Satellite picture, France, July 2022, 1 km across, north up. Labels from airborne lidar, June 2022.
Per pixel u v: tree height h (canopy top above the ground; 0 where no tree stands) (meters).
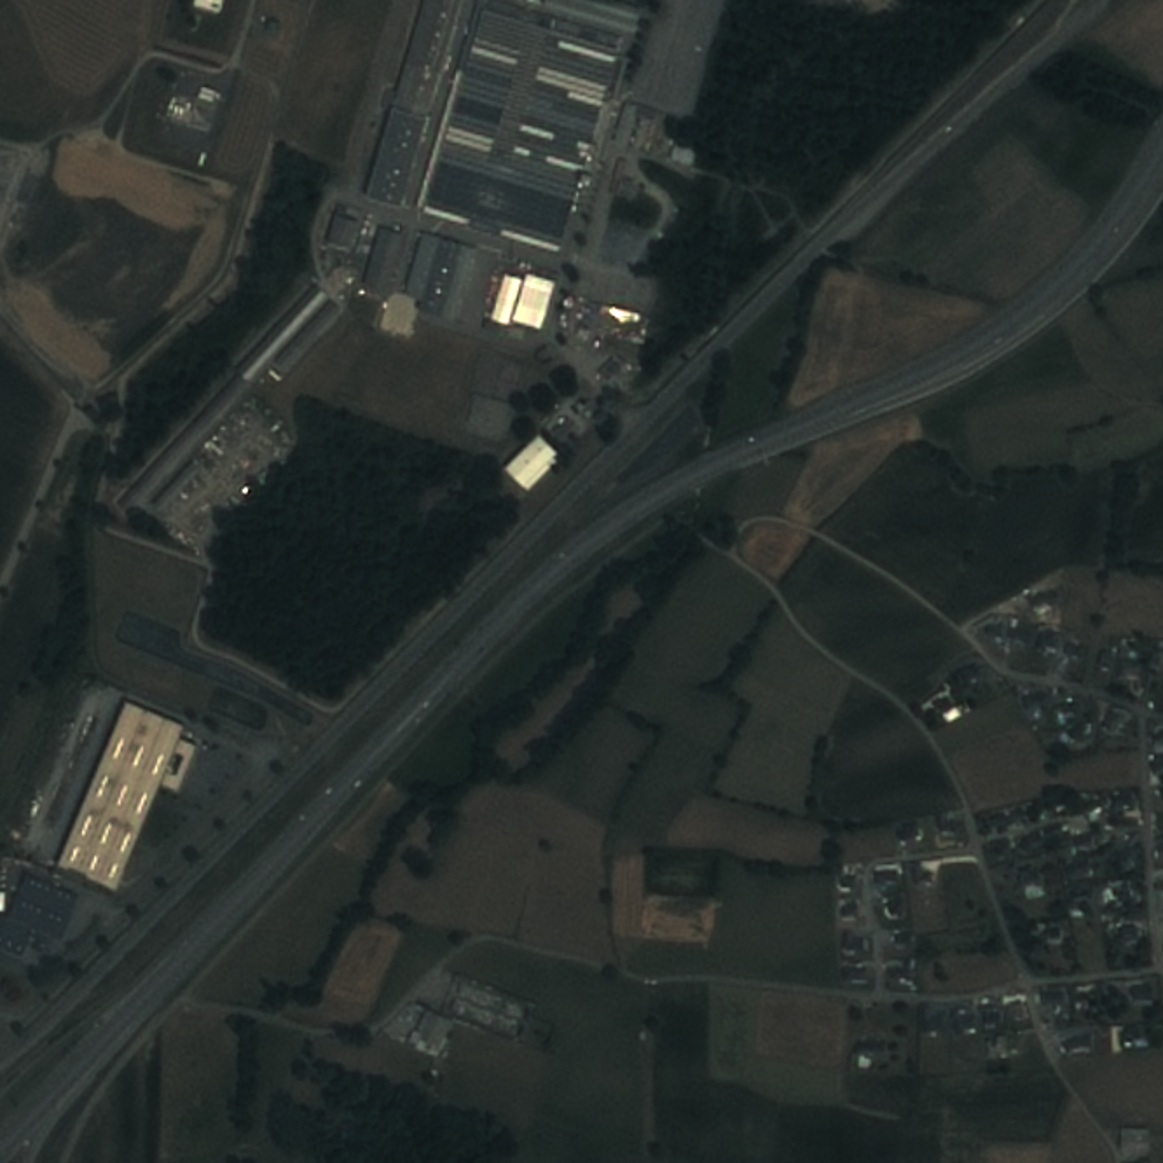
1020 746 0
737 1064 0
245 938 0
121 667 0
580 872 0
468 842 0
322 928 0
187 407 18
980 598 0
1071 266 0
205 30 0
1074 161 0
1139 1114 0
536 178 0
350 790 0
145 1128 0
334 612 21
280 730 0
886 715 0
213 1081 0
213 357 13
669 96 0
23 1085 0
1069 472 15
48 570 0
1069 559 0
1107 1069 0
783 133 24
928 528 0
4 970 0
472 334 0
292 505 19
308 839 0
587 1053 0
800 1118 0
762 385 0
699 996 0
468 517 11
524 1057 0
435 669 0
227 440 0
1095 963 0
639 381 0
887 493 0
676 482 0
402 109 0
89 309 0
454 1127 24
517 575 0
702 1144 0
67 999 0
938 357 0
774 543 0
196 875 0
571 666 9
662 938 0
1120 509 14
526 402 13
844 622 0
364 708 0
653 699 0
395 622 22
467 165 0
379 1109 17
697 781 0
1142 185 0
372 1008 0
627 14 0
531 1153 0
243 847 0
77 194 0
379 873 10
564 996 0
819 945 0
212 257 0
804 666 0
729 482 0
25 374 0
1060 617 0
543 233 0
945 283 0
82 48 0
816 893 0
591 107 0
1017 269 0
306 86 0
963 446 0
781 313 0
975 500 0
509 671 0
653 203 0
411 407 0
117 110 0
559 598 0
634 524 0
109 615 0
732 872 0
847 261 9
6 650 0
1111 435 0
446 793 14
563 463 17
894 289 0
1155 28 0
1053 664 0
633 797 0
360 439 6
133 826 0
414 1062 0
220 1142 0
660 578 19
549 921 0
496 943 0
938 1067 0
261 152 0
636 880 0
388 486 22
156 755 0
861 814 0
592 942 0
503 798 0
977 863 0
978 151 0
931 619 0
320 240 0
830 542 0
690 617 0
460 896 0
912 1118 0
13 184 0
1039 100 0
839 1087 0
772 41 20
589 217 9
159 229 0
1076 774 0
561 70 0
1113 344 0
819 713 0
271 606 19
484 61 0
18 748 0
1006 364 0
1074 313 0
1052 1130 0
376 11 0
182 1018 0
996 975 0
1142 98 10
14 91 0
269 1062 0
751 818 0
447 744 0
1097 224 0
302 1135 29
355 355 0
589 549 0
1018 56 0
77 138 0
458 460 7
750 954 0
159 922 0
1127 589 0
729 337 0
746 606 0
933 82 15
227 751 0
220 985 0
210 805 0
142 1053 0
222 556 17
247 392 0
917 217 0
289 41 0
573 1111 0
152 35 0
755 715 0
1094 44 0
